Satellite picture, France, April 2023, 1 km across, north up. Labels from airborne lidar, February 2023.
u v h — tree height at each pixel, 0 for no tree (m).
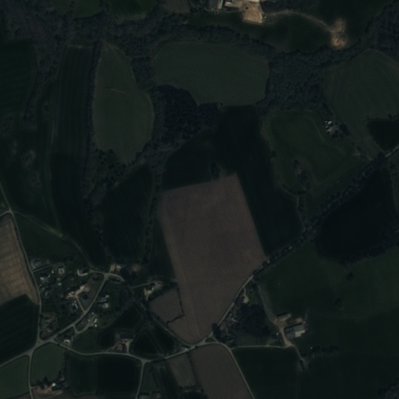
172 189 0
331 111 0
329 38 0
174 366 0
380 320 0
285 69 12
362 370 0
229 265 0
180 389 9
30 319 0
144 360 0
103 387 0
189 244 0
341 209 0
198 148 0
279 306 0
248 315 19
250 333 15
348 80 0
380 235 0
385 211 0
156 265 0
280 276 0
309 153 0
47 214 0
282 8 14
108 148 0
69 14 6
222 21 0
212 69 0
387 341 0
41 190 0
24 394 0
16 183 0
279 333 0
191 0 0
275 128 0
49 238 0
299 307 0
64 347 0
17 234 7
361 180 17
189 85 0
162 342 0
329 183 0
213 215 0
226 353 0
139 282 0
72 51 0
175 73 0
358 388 0
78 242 0
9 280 0
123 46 10
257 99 0
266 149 0
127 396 0
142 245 0
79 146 0
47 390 0
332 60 10
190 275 0
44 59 8
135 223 0
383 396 19
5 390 0
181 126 9
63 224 0
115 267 0
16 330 0
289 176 0
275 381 0
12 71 0
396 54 22
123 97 0
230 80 0
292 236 0
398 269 0
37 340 0
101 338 0
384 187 0
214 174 12
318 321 0
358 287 0
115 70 0
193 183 0
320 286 0
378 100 0
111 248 0
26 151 0
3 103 0
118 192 0
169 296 0
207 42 0
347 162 0
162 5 19
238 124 0
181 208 0
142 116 0
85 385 0
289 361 0
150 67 11
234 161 0
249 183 0
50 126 0
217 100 0
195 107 18
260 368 0
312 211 0
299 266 0
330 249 0
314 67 11
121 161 0
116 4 0
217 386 0
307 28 0
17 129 0
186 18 7
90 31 22
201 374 0
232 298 0
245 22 0
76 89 0
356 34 0
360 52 5
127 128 0
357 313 0
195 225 0
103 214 0
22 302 0
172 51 0
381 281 0
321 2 0
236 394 0
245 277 0
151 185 0
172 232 0
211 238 0
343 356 0
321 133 0
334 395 0
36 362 0
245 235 0
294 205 0
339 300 8
